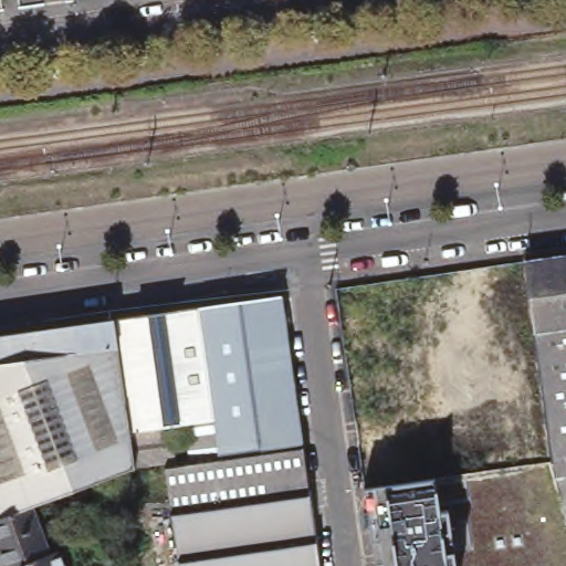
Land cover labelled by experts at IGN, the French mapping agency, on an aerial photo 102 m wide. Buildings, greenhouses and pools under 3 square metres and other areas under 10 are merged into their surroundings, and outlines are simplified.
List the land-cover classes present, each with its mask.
<instances>
[{"label":"impervious surface","instance_id":"1","mask_svg":"<svg viewBox=\"0 0 566 566\"><path fill-rule=\"evenodd\" d=\"M327 0H0V60L7 53H22L29 44H38L44 51L71 44H104L108 51L124 44L144 49L150 38L172 40L179 29H190L192 22L199 20L210 22L212 27H221L223 20L230 18H254L263 22H274L276 13L281 11L316 13L323 9ZM343 2V9L352 15H356L360 4L367 2L374 15L380 13L391 18L394 22L398 20V0H338ZM537 27H531L526 22L502 24L497 18H489L484 22H471L467 18H460L447 20V38L438 44L400 49V44L391 38V31L356 33V46L345 55L321 60L312 49L294 53L265 49V66L252 69L256 77L279 73L290 69H316L325 64H343L374 57L391 60L396 55L433 53L482 42H506V35L531 33ZM179 82L192 84L212 82L210 75H177L117 88L69 91L33 99L0 102V108L35 106L57 99H97L102 95L122 97L133 93L144 88L161 91L168 84ZM546 184L555 192H566V142L553 139L411 161H387L376 166H349L340 170H329L290 179L203 188L184 195L177 192L126 201L115 199L97 206L62 208L49 212L0 217V336L139 318L148 314H172L206 305L281 296L287 327L292 380L296 391V416L303 436V464L307 473V484L316 482L318 489L323 526H332V531L323 533V551H318V566H398L396 548L391 544L394 533L380 531L374 524L371 513L365 509V502L371 497L374 489L365 486V480L352 471L347 460L349 449L343 444L336 411V394H343V387L336 380V369L340 367L343 358L340 347L334 343L338 321L334 310L327 305L332 290L327 281H338V287H356L455 272L484 268L506 263L520 265L522 261L539 256H566V212H548L542 203V190ZM323 219L327 221V226H329V228H338V226H343V228H345V232H343V239H340V241L332 243V241H327L325 237H321V221H323ZM104 250L113 256H126L124 270H104Z\"/></svg>","mask_w":566,"mask_h":566},{"label":"building","instance_id":"2","mask_svg":"<svg viewBox=\"0 0 566 566\"><path fill-rule=\"evenodd\" d=\"M520 265L522 290L528 296V318L537 347L535 369L539 371L542 411L546 413L544 444L551 455V462L464 473L462 486L469 500L467 528L460 524V520H451V509L447 504L440 506L433 480L385 484L374 489L371 497L365 502V509L371 513L374 524L380 531L394 533L391 544L396 548L398 566H566V256H539L522 261ZM181 427H192L197 436L188 453H217V462L172 469V473L168 475V500L172 502L170 515L175 517L177 548L184 553L179 555V564L186 566H318V551H323V533L332 531V526H323L318 489L316 482L307 484V473L303 464V436L296 416V391L292 380L287 327L281 296L206 305L172 314H148L139 318L0 336V566H73L69 548L57 544L49 535V524L53 520H60L64 511L71 506L91 504L95 502L97 493L93 484L122 475L139 469L166 462L175 455L164 447L159 436L161 431H172Z\"/></svg>","mask_w":566,"mask_h":566},{"label":"pervious surface","instance_id":"3","mask_svg":"<svg viewBox=\"0 0 566 566\"><path fill-rule=\"evenodd\" d=\"M515 55L484 62L473 60L460 66L420 69L389 75H385L382 69H369L336 75L334 82H327V77L283 82L279 73L256 77L243 82H212L192 84V93L157 99H135L133 93L122 97L119 111H111L108 115H93L91 106H82L77 111L64 113H38L27 117L0 119V201L18 195L53 192V197L62 199V208L97 206L115 199L126 201L177 192L184 195L203 188L290 179L329 170L327 166L294 168L292 159L287 157V148L296 144H307L347 133L387 130L449 119H475L522 111L559 108L566 104V24L562 29L537 27L531 33L506 35V42ZM489 272L484 268L455 272L451 285H444L440 281L425 310L413 312L420 340L411 347V376L418 394L416 411L420 422H400L396 429L389 422L376 425L371 420H363V431H358L356 420L347 418L345 396L349 394V389L343 387V394H336V411L343 444L349 449L347 460L352 471L365 480V486L374 489L385 484L433 480L440 506L447 504L451 509V520H460V524L467 528L469 500L462 486L464 473L460 464V453L453 451V418L449 413L469 411L486 400H513L520 396V387L526 382L522 374L511 371L509 358L504 356L502 347L491 345V338L495 336L493 325L480 307L482 296H493V287L486 281ZM166 462L172 469L217 462V453H188L175 455ZM172 502L168 500L146 502L142 509V517L146 533L153 537V546L144 551V566H186L179 564V555L184 553L177 548L175 517L170 515Z\"/></svg>","mask_w":566,"mask_h":566},{"label":"herbaceous vegetation","instance_id":"4","mask_svg":"<svg viewBox=\"0 0 566 566\"><path fill-rule=\"evenodd\" d=\"M553 139L566 142V104L559 108L522 111L475 119H449L387 130L347 133L307 144H296L287 148V157L292 159L294 168L327 166L329 170H340L349 166H376L387 161H411ZM489 272L486 281L493 287V296H482L480 307L493 325L495 336L491 338V345L502 347L504 356L509 358L511 371L522 374L526 382L520 387V396L513 400H486L469 411L449 413L453 418V451L460 453V464L464 473L551 462V455L544 444L546 413L542 411L539 371L535 369L537 347L528 318V296L522 290L520 265L506 263L484 268ZM455 272L356 287H338V281H327L332 290L327 305L334 310L338 321L334 343L340 347L343 358L340 367L336 369V380L343 387L349 389V394L345 396L347 418L356 420L358 431H363V420H371L376 425L389 422L396 429L400 422H420L416 411L418 394L411 376V347L420 340L413 312L425 310L440 281L444 285H451ZM124 489L117 495L106 497L97 493L95 502L91 504L106 517H142V509L146 502L148 484L142 482L139 469L122 475Z\"/></svg>","mask_w":566,"mask_h":566},{"label":"deciduous trees","instance_id":"5","mask_svg":"<svg viewBox=\"0 0 566 566\"><path fill-rule=\"evenodd\" d=\"M398 20L394 22L391 18L380 13L374 15L367 2L360 4L356 15H352L343 9V2L338 0H327L323 9L316 13L281 11L276 13L274 22H263L254 18H230L223 20L221 27H212L210 22L199 20L192 22L190 29H179L172 40L150 38L144 49L124 44L108 51L104 44H71L44 51L38 44H29L22 53H7L0 60V102L33 99L69 91L117 88L177 75H210L237 69H252L265 66V49L294 53L312 49L321 60L345 55L356 46V33L391 31V38L400 44V49L438 44L447 38V20L460 18H467L471 22H484L489 18H497L502 24L526 22L531 27H537L562 29L566 24V0H398ZM542 203L548 212H566V192H555L546 184L542 190ZM343 232H345V228H343V226H338V228H329V226H327V221L323 219V221H321V237H325L327 241H332V243L340 241V239H343ZM104 270H124L126 256H113L104 250ZM197 436L192 427H181L172 431H161L159 436L164 447L175 455L188 453Z\"/></svg>","mask_w":566,"mask_h":566},{"label":"brushwood","instance_id":"6","mask_svg":"<svg viewBox=\"0 0 566 566\"><path fill-rule=\"evenodd\" d=\"M515 55L506 42H482L433 53L396 55L391 60L374 57L343 64H325L316 69H290L279 73L283 82L327 77V82H334L336 75L369 69H382L385 75H389L420 69L460 66L473 60L484 62ZM256 77L252 69H237L210 75L212 82H243ZM192 93V84L179 82L168 84L161 91L144 88L133 93L135 99H157ZM122 97L102 95L97 99H57L35 106L0 108V119L27 117L38 113H64L77 111L82 106H91L93 115H108L111 111H119ZM62 208V199L53 197V192L18 195L0 201V217L49 212ZM142 482L148 484L146 502L168 500V475L172 473V469L166 462L139 469ZM97 493L106 497L117 495L124 489L122 475L93 484ZM49 535L57 544L69 548L73 566H144V551L153 546V537L146 533L142 517H106L91 504L71 506L64 511L60 520H53L49 524Z\"/></svg>","mask_w":566,"mask_h":566}]
</instances>
